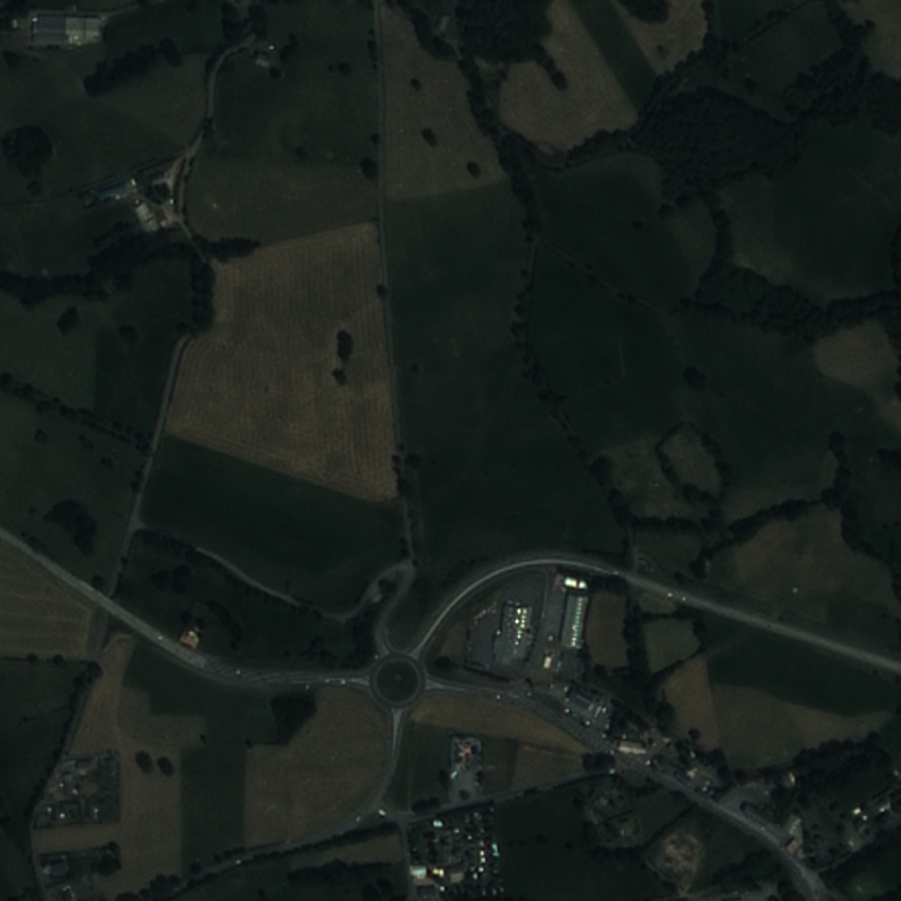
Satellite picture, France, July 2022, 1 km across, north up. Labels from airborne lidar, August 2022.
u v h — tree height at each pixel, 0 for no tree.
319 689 0
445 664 15
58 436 0
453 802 0
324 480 0
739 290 7
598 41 0
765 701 0
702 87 0
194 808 0
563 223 0
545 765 0
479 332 0
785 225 0
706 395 0
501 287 0
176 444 0
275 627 0
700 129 19
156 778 0
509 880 0
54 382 0
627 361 0
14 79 0
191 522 0
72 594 0
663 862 0
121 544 0
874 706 0
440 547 0
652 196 0
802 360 0
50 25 0
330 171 0
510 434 0
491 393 0
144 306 0
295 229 0
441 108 0
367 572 0
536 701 0
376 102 0
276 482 0
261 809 0
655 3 11
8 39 0
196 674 0
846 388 0
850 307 15
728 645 0
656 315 0
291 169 0
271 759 0
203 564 11
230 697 0
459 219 0
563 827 0
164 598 0
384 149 0
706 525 16
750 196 0
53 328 0
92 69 0
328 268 0
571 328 0
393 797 0
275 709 8
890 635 0
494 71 0
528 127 0
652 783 10
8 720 0
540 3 19
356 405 0
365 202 0
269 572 0
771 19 9
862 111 14
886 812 7
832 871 12
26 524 0
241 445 0
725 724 0
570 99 0
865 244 0
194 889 13
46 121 0
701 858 0
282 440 0
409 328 0
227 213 0
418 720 0
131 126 0
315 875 18
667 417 0
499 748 0
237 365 0
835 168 0
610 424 0
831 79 18
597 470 15
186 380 0
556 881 0
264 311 0
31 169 12
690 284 0
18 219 0
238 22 17
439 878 9
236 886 0
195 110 0
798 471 0
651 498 0
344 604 0
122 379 0
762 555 0
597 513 0
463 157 0
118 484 0
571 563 0
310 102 0
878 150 0
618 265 0
